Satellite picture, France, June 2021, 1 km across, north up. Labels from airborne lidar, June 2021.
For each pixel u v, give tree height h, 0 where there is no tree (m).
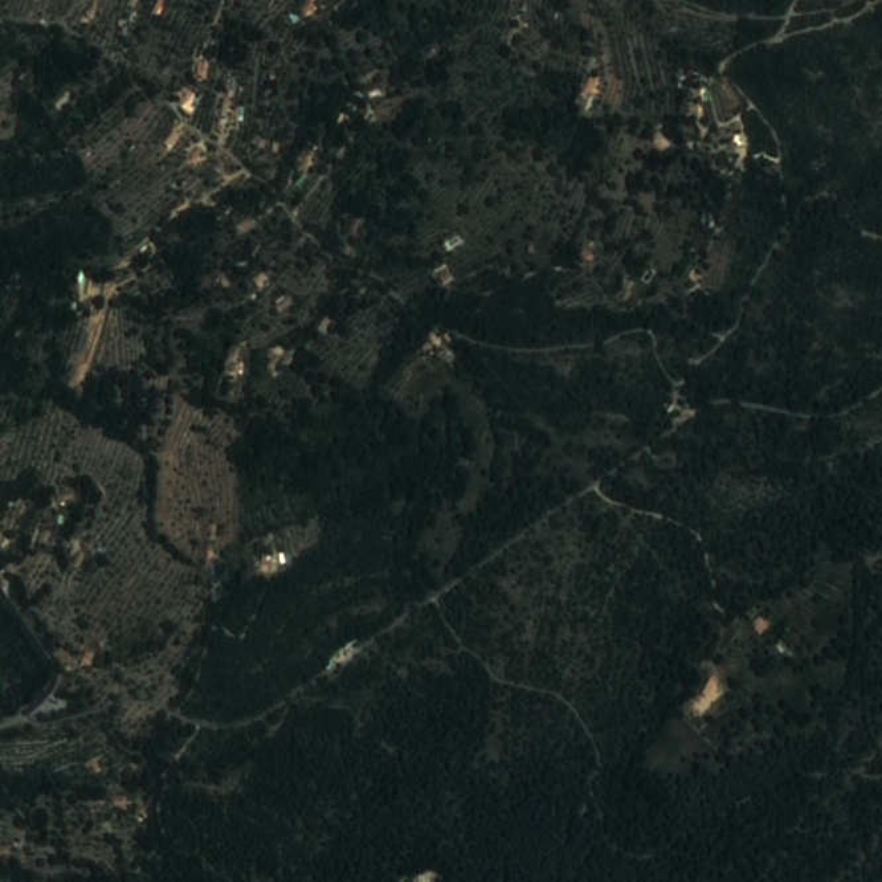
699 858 10
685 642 9
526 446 8
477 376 7
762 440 7
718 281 0
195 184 0
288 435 10
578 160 10
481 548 9
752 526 12
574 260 9
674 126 13
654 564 8
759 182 9
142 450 10
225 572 17
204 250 10
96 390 12
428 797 10
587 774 12
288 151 7
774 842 7
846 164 6
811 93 7
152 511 9
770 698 0
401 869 16
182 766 9
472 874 13
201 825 7
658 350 8
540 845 13
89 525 7
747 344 6
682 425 7
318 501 6
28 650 10
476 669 9
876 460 5
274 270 8
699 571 11
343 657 0
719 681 0
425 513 12
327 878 14
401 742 11
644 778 16
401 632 6
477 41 7
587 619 6
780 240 8
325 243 7
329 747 6
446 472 13
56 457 7
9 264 7
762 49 10
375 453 9
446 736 15
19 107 8
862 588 6
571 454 9
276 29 6
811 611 0
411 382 0
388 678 8
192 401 10
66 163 10
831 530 13
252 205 9
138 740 7
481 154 9
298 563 7
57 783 10
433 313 6
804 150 9
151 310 12
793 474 7
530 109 7
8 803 8
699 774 14
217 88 9
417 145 12
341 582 6
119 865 10
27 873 8
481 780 10
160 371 11
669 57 6
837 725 6
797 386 13
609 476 7
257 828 8
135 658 6
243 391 6
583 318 7
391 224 12
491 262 6
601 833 11
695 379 13
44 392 10
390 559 8
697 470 12
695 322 11
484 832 14
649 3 6
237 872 6
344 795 10
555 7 9
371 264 6
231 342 10
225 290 7
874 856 8
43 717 8
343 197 9
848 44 8
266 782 9
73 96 8
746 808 13
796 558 9
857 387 8
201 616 7
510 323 6
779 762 13
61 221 6
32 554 10
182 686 9
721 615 11
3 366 9
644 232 9
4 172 6
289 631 6
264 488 6
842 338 6
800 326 7
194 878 8
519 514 7
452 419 10
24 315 12
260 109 7
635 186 14
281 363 7
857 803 10
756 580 8
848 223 10
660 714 13
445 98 6
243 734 6
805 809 6
